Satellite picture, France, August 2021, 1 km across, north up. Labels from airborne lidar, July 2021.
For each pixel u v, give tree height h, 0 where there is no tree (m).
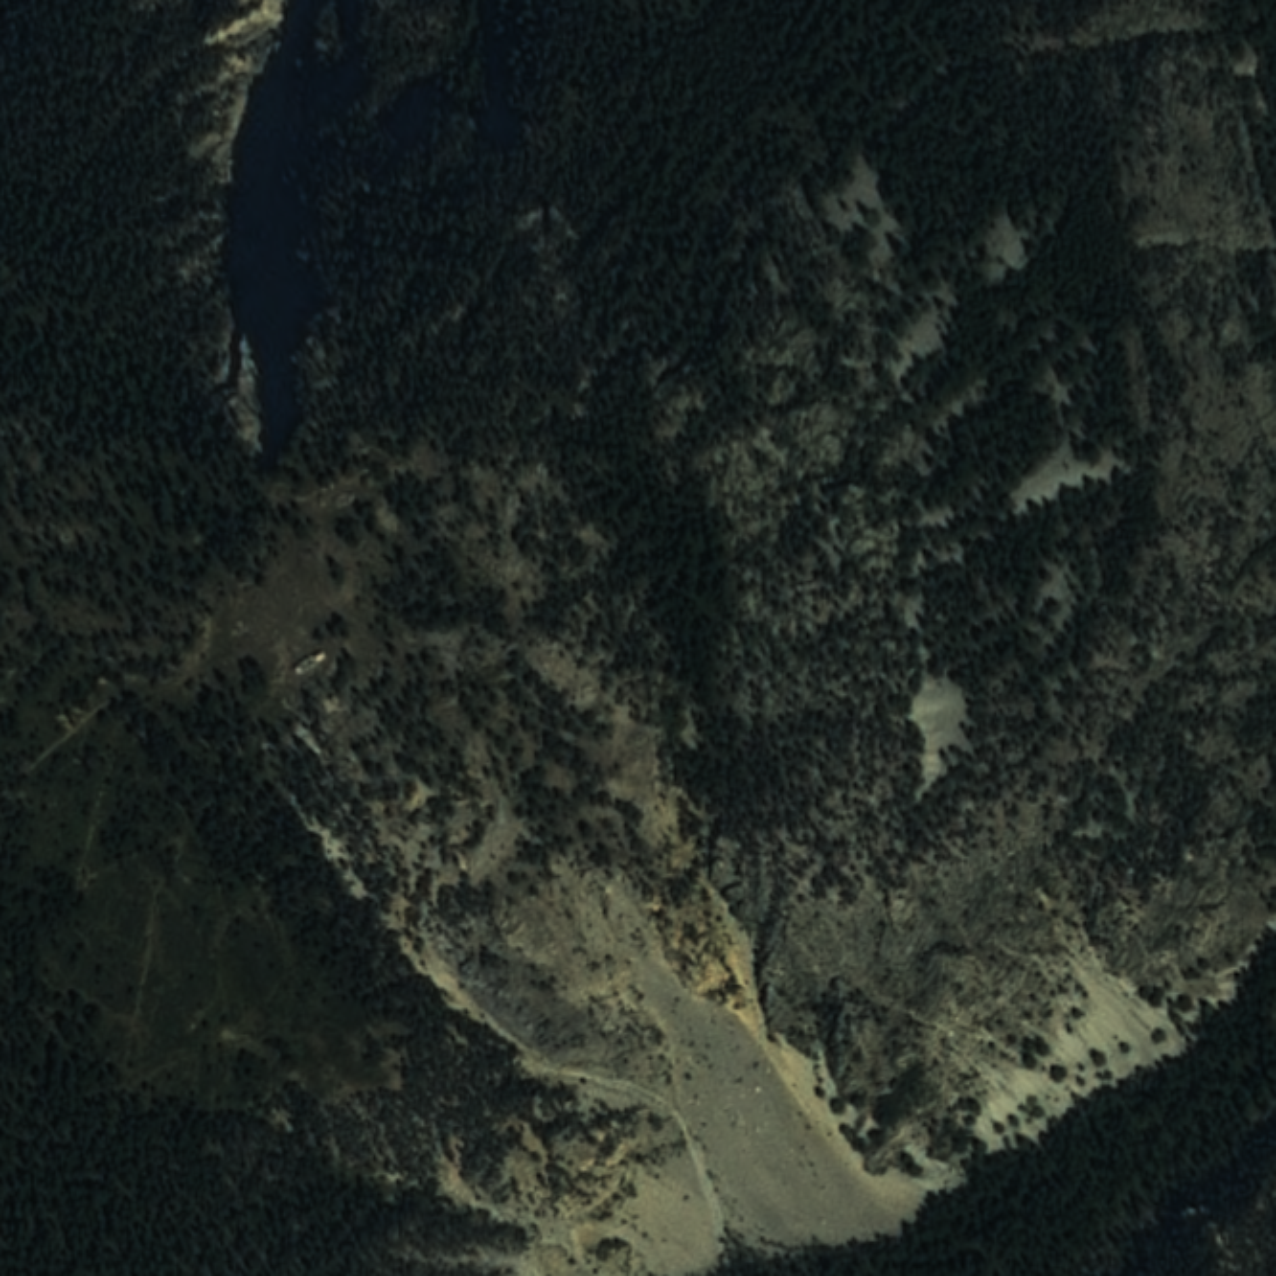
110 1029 0
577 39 10
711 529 17
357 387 6
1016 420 17
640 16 8
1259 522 8
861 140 19
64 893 9
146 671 11
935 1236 20
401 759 12
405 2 11
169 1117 16
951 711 0
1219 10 16
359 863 6
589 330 7
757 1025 0
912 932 7
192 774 10
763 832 10
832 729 13
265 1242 14
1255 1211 11
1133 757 8
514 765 10
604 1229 0
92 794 0
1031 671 13
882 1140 16
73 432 17
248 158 0
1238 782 13
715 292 17
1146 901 10
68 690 9
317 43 10
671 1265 0
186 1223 16
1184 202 0
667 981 0
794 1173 0
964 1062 0
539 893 7
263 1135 11
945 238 19
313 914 7
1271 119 12
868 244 19
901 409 9
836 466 7
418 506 6
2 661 7
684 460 8
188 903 0
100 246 14
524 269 8
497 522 10
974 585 10
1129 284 6
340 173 12
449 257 11
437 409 12
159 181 9
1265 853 12
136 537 8
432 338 5
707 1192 0
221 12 10
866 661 7
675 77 12
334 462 7
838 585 12
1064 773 7
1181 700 9
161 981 0
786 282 12
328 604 0
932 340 0
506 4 15
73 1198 19
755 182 14
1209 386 0
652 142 16
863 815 13
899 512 8
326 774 7
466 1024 6
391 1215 11
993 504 18
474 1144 7
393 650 12
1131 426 12
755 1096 0
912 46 12
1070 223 12
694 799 13
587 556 9
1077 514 7
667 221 14
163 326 10
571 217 9
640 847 13
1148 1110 20
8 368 15
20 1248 19
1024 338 9
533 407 11
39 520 9
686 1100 0
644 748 0
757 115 18
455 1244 8
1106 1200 22
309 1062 0
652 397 10
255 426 0
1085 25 12
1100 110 9
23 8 11
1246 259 7
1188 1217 10
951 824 10
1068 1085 0
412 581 10
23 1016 15
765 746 10
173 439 12
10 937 11
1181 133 5
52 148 14
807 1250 10
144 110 9
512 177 11
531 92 16
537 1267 0
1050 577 15
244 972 0
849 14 9
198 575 10
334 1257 16
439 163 8
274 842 18
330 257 9
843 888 10
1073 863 7
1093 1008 0
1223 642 8
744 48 8
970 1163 10
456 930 7
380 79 10
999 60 14
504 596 10
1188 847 8
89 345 14
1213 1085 22
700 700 12
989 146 18
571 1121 10
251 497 10
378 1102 11
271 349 0
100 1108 14
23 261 17
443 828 5
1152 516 10
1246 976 13
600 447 13
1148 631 11
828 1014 11
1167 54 8
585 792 11
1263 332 15
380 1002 13
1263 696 8
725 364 16
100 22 21
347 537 10
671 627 13
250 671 15
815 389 7
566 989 0
